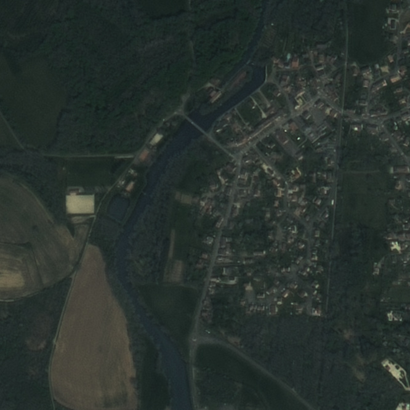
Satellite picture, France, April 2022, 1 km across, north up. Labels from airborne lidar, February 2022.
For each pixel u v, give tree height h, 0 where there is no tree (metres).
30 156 28
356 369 0
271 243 8
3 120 0
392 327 10
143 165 0
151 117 25
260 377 0
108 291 0
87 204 0
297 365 28
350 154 9
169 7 0
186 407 0
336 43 0
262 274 9
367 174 0
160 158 0
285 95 0
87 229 0
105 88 16
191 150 24
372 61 0
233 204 0
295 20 20
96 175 0
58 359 0
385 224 0
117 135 30
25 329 14
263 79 0
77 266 16
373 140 0
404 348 8
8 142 0
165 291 0
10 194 0
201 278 7
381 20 0
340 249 0
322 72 0
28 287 0
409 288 0
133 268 21
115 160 0
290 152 0
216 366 0
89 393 0
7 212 0
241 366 0
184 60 25
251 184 0
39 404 11
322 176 0
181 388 0
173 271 0
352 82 0
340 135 0
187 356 0
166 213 22
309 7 22
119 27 20
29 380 19
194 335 0
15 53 21
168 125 8
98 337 0
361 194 0
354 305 17
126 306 21
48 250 0
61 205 27
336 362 24
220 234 0
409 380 0
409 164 0
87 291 0
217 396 7
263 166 0
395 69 0
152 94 28
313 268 6
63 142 27
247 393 0
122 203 0
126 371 0
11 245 0
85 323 0
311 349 27
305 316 16
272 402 0
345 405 20
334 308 22
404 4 8
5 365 8
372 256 0
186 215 0
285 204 0
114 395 0
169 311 0
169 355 0
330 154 15
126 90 14
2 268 0
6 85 0
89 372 0
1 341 25
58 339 0
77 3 15
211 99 0
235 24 21
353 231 18
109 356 0
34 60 0
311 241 0
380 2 0
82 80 28
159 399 0
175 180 27
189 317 0
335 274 7
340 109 0
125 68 18
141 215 16
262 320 13
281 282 6
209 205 0
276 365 27
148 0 0
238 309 7
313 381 27
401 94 0
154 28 26
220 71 20
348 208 0
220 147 0
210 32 13
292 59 0
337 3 22
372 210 0
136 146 18
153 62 19
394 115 0
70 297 0
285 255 0
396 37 0
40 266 0
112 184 0
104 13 26
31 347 0
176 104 22
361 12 0
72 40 25
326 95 0
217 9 15
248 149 0
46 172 29
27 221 0
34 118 0
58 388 0
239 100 0
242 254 0
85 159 0
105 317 0
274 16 10
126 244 0
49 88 0
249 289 0
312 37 13
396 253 0
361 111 0
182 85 24
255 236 11
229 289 17
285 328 20
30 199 0
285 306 0
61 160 0
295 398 0
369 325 0
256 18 22
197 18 12
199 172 0
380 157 10
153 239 25
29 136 0
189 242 0
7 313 0
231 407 0
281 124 0
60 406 7
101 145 26
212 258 0
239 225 10
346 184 0
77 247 0
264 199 7
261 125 0
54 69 14
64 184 0
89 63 25
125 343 0
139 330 24
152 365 0
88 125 30
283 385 0
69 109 18
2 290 0
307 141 0
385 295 0
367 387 7
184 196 0
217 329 19
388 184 0
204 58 21
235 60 15
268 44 0
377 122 0
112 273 26
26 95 0
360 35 0
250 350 15
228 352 0
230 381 7
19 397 18
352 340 14
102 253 15
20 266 0
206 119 0
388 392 9
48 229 0
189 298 0
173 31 23
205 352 0
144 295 0
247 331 7
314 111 0
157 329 0
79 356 0
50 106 0
